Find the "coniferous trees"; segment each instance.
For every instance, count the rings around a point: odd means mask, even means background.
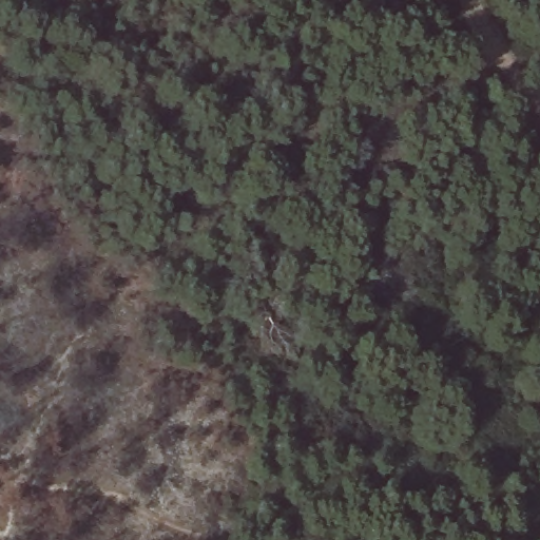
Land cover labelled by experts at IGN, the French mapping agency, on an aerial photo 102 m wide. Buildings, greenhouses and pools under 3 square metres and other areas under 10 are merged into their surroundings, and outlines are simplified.
[[[481,61],[477,46],[466,38],[466,32],[454,32],[451,21],[432,6],[432,0],[0,0],[0,540],[540,540],[540,0],[487,0],[485,11],[506,21],[510,38],[508,53],[515,57],[515,63],[510,68],[489,68],[485,61]]]

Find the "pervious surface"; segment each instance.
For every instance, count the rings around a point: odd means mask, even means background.
[[[432,0],[432,6],[451,21],[454,32],[466,32],[466,38],[477,46],[481,61],[485,61],[489,68],[510,68],[515,63],[515,57],[508,53],[510,38],[506,21],[485,11],[487,0]]]

